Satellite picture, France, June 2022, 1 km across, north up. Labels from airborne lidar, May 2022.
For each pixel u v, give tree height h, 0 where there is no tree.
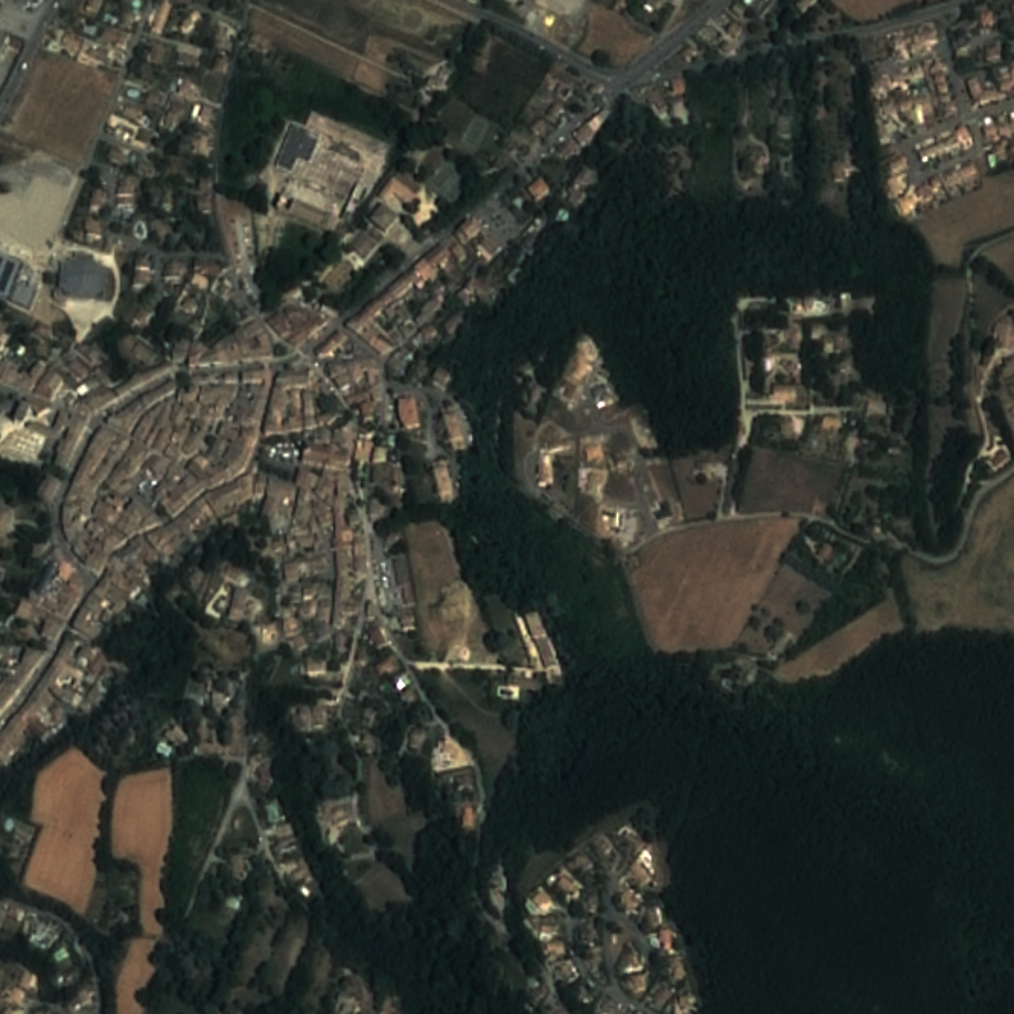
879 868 7
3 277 0
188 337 11
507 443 11
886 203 16
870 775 7
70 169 0
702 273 11
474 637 0
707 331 13
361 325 0
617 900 11
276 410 0
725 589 0
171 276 0
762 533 0
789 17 15
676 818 6
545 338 12
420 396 0
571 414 0
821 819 10
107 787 12
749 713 12
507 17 0
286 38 0
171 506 0
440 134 14
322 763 25
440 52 0
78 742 9
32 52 0
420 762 10
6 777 10
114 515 0
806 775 16
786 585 0
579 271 13
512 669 9
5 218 0
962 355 7
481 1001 21
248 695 7
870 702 7
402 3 0
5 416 0
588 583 11
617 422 0
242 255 0
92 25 7
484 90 0
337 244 12
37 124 0
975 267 9
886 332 12
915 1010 9
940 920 10
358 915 23
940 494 10
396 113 9
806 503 0
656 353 16
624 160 11
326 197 0
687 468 0
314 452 0
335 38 0
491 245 0
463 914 6
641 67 0
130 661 9
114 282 0
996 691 9
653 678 16
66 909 8
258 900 8
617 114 6
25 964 9
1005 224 0
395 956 17
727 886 7
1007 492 0
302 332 0
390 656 9
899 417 11
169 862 10
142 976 0
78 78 0
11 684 0
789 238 14
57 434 0
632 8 10
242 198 13
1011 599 0
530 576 14
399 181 0
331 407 18
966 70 7
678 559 0
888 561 7
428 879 20
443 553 0
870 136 15
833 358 10
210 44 7
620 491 0
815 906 8
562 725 17
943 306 0
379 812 0
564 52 0
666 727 11
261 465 8
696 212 15
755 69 14
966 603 0
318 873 17
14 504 21
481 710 0
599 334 10
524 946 22
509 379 8
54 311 0
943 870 11
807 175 17
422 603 0
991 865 10
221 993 21
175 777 9
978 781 7
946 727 9
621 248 19
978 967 10
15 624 5
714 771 9
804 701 8
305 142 0
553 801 13
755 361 10
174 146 12
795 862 7
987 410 8
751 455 10
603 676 14
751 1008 7
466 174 14
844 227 16
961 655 12
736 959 9
